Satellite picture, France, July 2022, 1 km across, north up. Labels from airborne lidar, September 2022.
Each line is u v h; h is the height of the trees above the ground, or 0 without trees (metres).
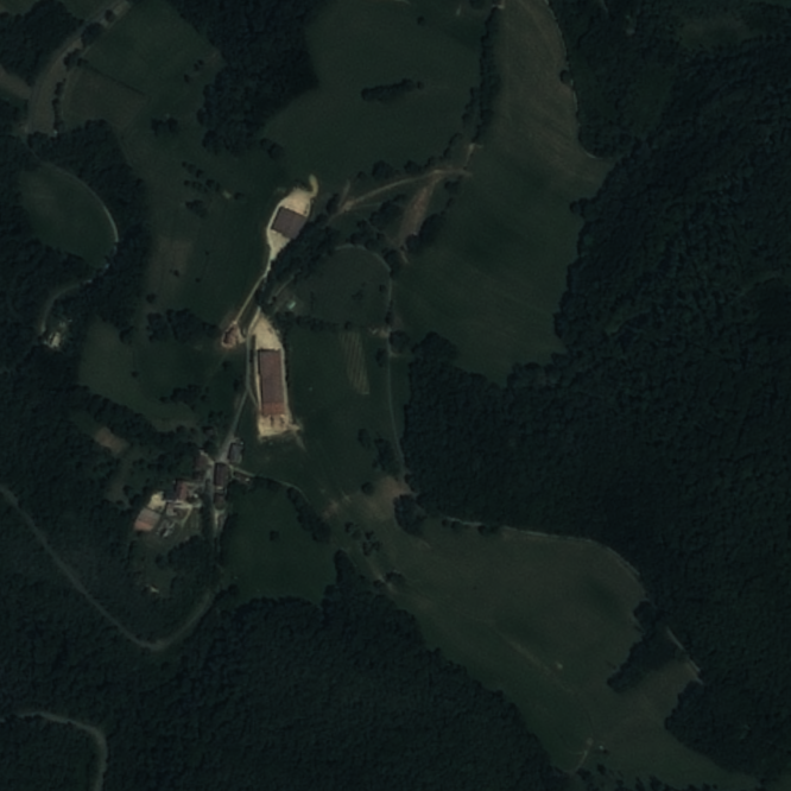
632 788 0
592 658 0
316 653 17
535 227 0
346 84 0
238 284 0
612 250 17
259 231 0
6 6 0
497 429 20
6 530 6
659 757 0
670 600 21
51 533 5
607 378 12
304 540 0
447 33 0
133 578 8
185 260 0
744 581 12
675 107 10
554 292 0
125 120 0
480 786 11
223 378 0
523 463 17
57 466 17
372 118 0
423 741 16
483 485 11
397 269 15
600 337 22
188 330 18
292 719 15
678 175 22
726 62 21
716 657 20
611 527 19
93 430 0
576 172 0
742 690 15
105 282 21
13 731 19
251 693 13
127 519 18
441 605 0
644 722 0
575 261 0
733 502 11
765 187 21
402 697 16
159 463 7
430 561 0
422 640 19
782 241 20
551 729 0
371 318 0
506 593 0
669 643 18
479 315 0
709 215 22
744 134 25
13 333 17
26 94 0
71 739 7
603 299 24
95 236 0
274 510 0
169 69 0
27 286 17
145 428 19
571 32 12
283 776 20
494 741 21
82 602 13
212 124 19
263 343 0
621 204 17
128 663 7
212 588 19
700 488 18
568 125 0
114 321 12
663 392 15
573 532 17
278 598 0
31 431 9
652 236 24
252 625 23
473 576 0
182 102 0
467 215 0
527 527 20
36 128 0
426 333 0
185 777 26
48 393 9
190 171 10
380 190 0
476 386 18
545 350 0
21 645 23
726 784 0
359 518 0
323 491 0
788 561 16
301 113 0
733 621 9
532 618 0
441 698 17
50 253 22
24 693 16
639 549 25
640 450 14
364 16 0
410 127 0
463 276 0
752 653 13
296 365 0
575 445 13
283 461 0
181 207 0
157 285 0
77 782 15
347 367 0
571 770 0
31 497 10
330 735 14
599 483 18
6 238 25
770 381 9
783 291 7
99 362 0
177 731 23
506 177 0
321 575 0
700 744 21
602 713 0
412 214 0
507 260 0
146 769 27
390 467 22
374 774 16
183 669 13
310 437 0
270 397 0
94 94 0
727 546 16
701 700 25
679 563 24
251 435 0
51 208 0
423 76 0
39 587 15
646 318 5
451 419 18
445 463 10
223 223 0
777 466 18
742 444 22
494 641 0
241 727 10
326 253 14
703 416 19
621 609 0
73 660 23
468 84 0
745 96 22
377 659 23
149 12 0
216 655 20
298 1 25
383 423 0
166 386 0
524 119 0
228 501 11
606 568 0
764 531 18
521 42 0
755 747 23
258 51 23
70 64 17
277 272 16
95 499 18
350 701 11
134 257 14
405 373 0
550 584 0
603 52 17
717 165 21
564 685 0
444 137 0
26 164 18
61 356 12
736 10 6
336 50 0
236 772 12
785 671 9
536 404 16
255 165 0
